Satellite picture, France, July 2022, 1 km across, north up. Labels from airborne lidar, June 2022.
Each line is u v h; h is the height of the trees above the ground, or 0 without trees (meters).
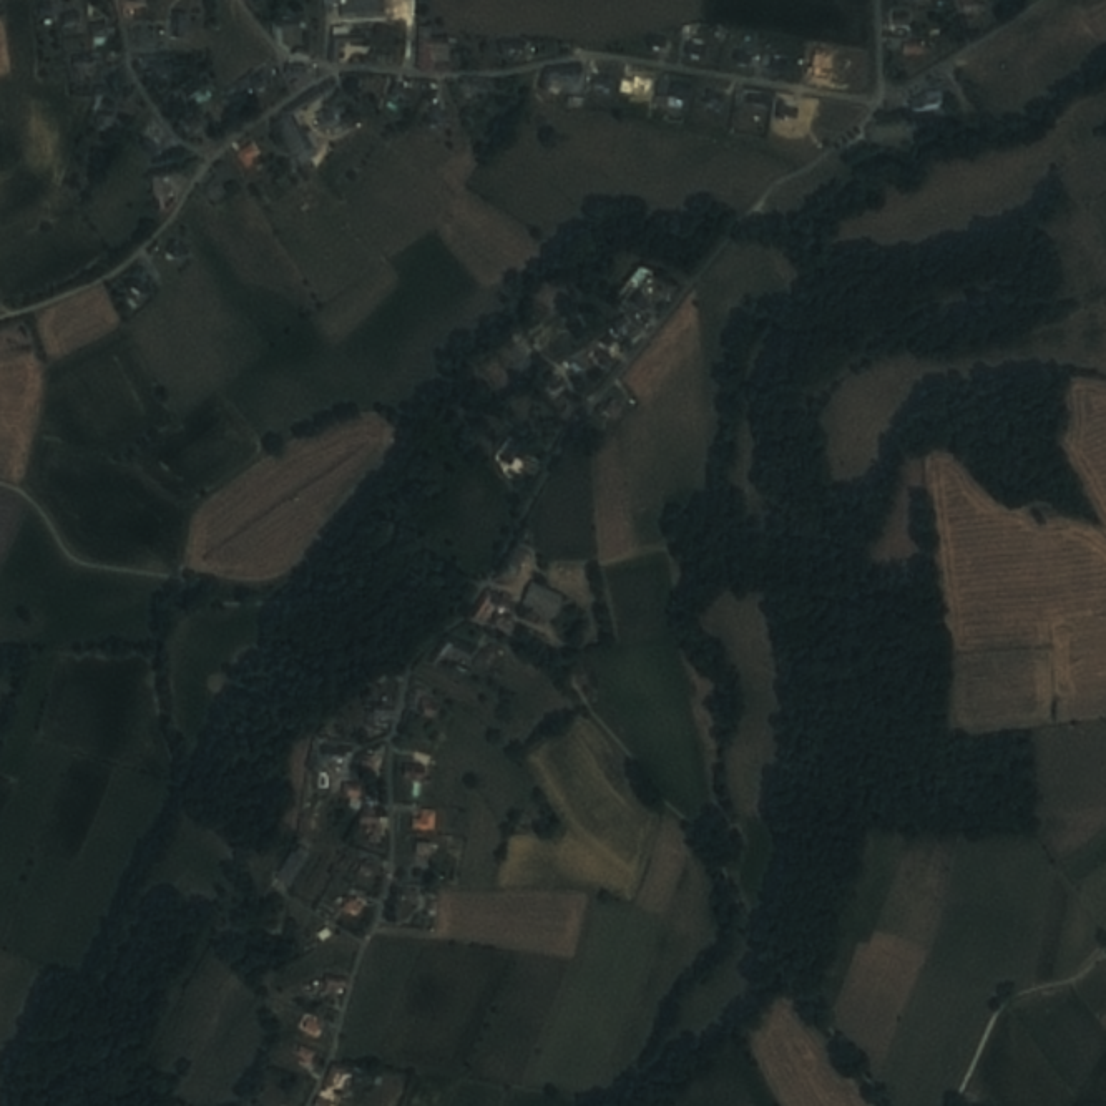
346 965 0
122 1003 26
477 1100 0
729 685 19
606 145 0
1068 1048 0
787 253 12
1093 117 0
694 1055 25
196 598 23
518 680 0
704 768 0
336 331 0
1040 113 19
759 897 0
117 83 13
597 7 0
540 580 16
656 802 20
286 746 19
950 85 0
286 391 0
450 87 6
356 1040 0
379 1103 0
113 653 15
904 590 26
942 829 24
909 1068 0
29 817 0
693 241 20
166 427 0
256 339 0
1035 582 0
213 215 0
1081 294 0
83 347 0
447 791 0
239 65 0
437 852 10
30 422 0
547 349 0
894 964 0
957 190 0
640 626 0
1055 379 22
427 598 24
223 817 23
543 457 14
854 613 27
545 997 0
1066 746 0
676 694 0
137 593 0
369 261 0
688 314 0
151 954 22
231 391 0
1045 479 15
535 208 0
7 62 0
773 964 27
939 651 27
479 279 0
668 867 0
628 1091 25
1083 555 0
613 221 26
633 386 0
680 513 20
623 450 0
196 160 8
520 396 16
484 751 0
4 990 0
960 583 0
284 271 0
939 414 24
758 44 0
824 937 24
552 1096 12
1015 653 0
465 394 20
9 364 0
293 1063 0
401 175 0
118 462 10
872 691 20
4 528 0
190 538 0
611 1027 0
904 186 18
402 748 7
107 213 0
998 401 14
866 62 0
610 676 0
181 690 0
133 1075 21
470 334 14
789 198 0
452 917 0
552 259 27
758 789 0
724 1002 0
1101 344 0
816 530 8
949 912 0
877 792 14
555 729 18
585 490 0
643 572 0
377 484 20
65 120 0
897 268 24
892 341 17
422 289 0
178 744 19
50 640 0
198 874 0
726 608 0
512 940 0
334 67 0
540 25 0
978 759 24
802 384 23
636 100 0
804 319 27
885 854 0
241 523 0
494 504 0
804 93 0
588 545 0
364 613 21
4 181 0
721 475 22
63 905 0
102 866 0
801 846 31
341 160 0
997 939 0
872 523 25
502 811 0
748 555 21
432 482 21
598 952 0
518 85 7
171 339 0
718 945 8
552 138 16
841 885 27
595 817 0
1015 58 0
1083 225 0
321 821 0
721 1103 0
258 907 13
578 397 9
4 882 0
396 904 7
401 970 0
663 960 0
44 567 0
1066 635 0
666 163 0
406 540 28
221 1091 0
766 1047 0
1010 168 0
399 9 0
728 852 26
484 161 10
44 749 0
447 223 0
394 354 0
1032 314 19
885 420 0
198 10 6
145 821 0
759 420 18
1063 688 0
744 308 11
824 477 18
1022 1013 0
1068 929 0
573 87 0
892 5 5
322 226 0
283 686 22
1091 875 0
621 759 0
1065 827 0
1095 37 0
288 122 0
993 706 0
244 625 0
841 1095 0
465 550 0
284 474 0
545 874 0
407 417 14
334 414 11
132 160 0
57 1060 29
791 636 23
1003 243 28
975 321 28
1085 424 0
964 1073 0
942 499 0
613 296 16
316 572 16
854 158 17
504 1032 0
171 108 9
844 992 0
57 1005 24
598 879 0
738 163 0
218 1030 0
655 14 0
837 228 19
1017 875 0
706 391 0
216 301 0
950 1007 0
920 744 24
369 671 24
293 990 0
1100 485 0
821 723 27
